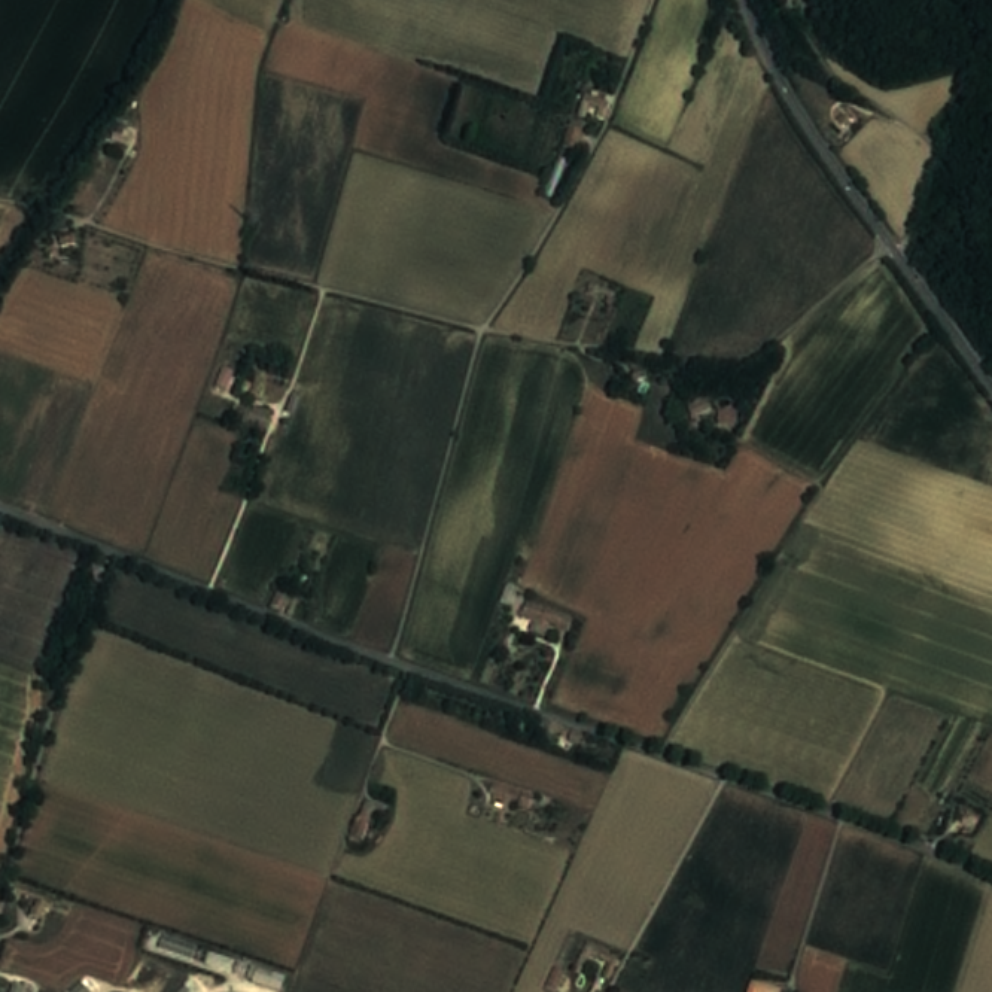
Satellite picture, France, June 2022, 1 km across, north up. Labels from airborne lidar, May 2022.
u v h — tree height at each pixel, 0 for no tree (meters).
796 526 0
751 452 0
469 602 0
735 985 0
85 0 0
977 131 6
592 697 0
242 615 20
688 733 0
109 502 0
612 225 0
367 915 0
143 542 0
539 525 0
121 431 0
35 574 0
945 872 0
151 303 0
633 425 0
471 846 0
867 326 0
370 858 0
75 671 17
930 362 0
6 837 8
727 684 0
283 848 0
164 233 0
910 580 0
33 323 0
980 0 20
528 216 0
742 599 8
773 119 0
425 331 0
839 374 0
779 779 0
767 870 0
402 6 0
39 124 0
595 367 0
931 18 16
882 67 15
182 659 13
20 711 0
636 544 0
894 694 0
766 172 0
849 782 0
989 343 19
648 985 0
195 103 0
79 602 18
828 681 0
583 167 15
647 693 0
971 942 0
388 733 0
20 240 17
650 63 0
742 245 0
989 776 0
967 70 20
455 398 0
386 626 0
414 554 0
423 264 0
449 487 0
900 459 0
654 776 0
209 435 0
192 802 0
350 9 0
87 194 0
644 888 0
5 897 19
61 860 0
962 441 0
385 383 0
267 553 0
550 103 12
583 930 0
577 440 0
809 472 0
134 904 0
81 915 0
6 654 0
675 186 0
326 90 0
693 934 0
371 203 0
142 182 0
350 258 0
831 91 18
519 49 0
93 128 16
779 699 0
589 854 0
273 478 0
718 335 0
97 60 0
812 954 0
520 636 10
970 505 0
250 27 0
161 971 0
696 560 0
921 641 0
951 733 0
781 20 9
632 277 0
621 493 0
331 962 0
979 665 0
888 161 0
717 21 13
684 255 0
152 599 0
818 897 0
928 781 0
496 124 0
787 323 0
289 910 0
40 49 0
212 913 0
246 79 0
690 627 0
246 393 8
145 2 0
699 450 8
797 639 0
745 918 0
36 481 0
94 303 0
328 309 0
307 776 0
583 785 0
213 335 0
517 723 15
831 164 0
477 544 0
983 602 0
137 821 0
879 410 0
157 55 21
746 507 0
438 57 0
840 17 17
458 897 0
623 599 0
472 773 6
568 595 0
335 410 0
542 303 0
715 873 0
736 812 0
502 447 0
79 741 0
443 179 0
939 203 9
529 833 0
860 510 0
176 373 0
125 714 0
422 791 0
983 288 16
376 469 0
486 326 0
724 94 0
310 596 8
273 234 0
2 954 11
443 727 0
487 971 0
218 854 0
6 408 0
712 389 18
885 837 22
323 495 0
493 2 0
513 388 0
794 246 0
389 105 0
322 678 0
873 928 0
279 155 0
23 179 0
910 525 0
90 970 0
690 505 0
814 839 0
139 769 0
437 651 0
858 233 0
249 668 0
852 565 0
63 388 0
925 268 18
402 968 0
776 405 0
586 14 0
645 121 0
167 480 0
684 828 0
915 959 0
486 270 0
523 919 0
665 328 0
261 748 0
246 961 7
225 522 0
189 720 0
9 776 0
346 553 0
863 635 0
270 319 0
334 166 0
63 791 0
